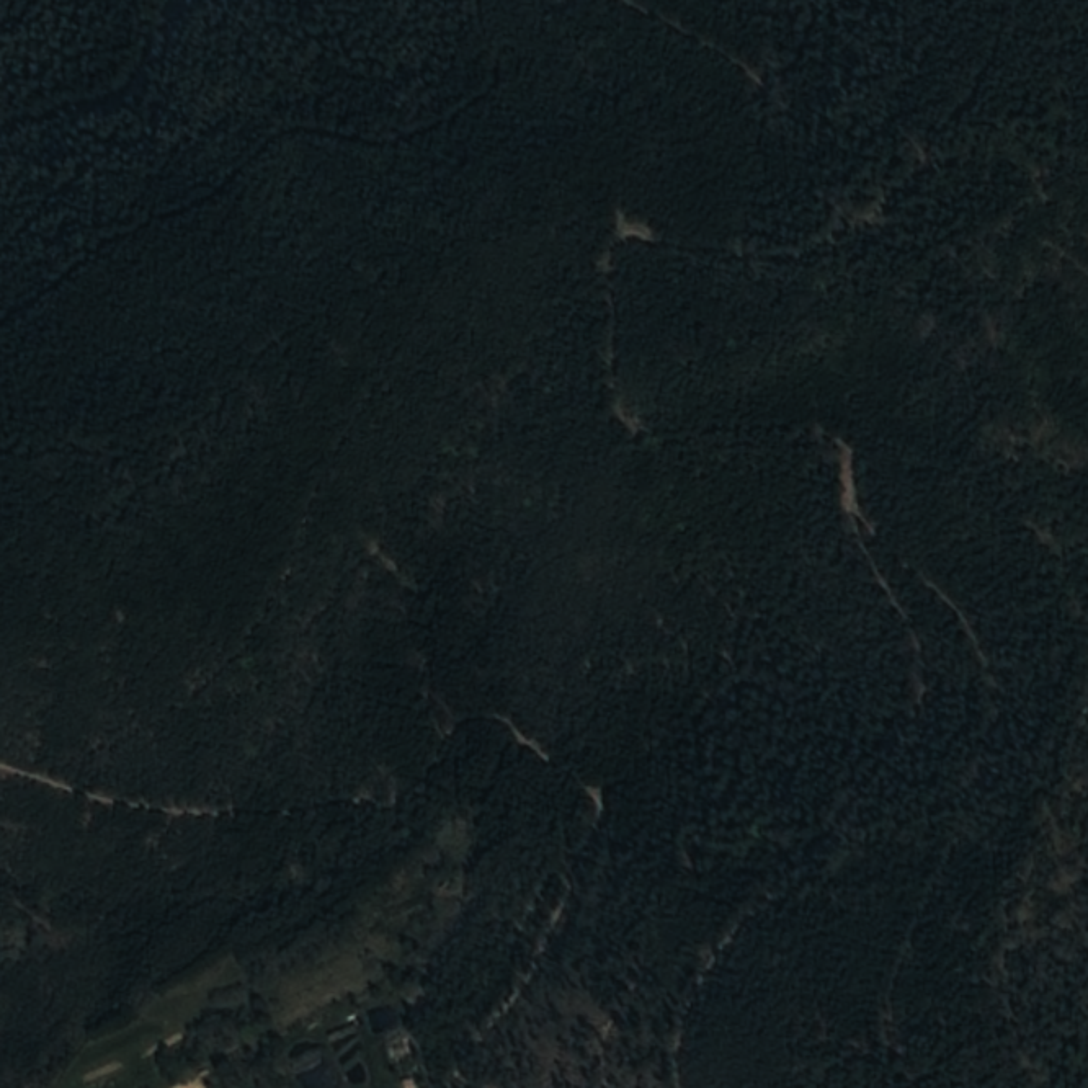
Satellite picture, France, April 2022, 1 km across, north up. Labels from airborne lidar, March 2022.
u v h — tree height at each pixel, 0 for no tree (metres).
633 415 10
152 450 18
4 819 7
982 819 24
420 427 15
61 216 26
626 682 21
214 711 13
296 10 33
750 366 16
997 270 15
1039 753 26
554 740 20
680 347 16
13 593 19
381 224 15
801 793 29
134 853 8
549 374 11
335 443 21
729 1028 13
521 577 16
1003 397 14
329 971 0
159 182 17
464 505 25
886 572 11
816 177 16
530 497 14
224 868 13
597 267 15
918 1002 6
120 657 9
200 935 24
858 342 9
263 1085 22
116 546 14
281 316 19
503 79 17
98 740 15
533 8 16
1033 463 17
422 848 28
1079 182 11
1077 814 7
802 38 24
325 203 16
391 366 16
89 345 22
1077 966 6
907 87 14
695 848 9
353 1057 0
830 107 17
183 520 15
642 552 18
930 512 14
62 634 14
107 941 12
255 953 19
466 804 22
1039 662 24
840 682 24
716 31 17
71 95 24
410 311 16
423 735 23
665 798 19
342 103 11
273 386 17
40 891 11
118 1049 0
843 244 19
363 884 29
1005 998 18
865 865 7
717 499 24
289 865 10
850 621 24
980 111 23
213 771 16
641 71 14
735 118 24
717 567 24
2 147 25
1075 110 16
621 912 6
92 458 16
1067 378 6
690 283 17
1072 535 10
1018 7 21
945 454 11
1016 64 20
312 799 16
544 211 16
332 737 23
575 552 13
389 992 0
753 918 7
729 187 26
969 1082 20
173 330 16
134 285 21
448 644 27
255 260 14
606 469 16
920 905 8
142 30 15
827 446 20
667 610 19
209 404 22
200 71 26
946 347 23
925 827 28
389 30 24
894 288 20
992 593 18
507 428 18
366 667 16
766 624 10
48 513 18
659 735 22
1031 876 12
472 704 23
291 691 18
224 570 20
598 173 21
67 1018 10
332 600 21
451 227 15
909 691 24
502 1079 23
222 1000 18
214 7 26
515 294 19
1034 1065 16
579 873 16
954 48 15
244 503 21
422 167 14
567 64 16
